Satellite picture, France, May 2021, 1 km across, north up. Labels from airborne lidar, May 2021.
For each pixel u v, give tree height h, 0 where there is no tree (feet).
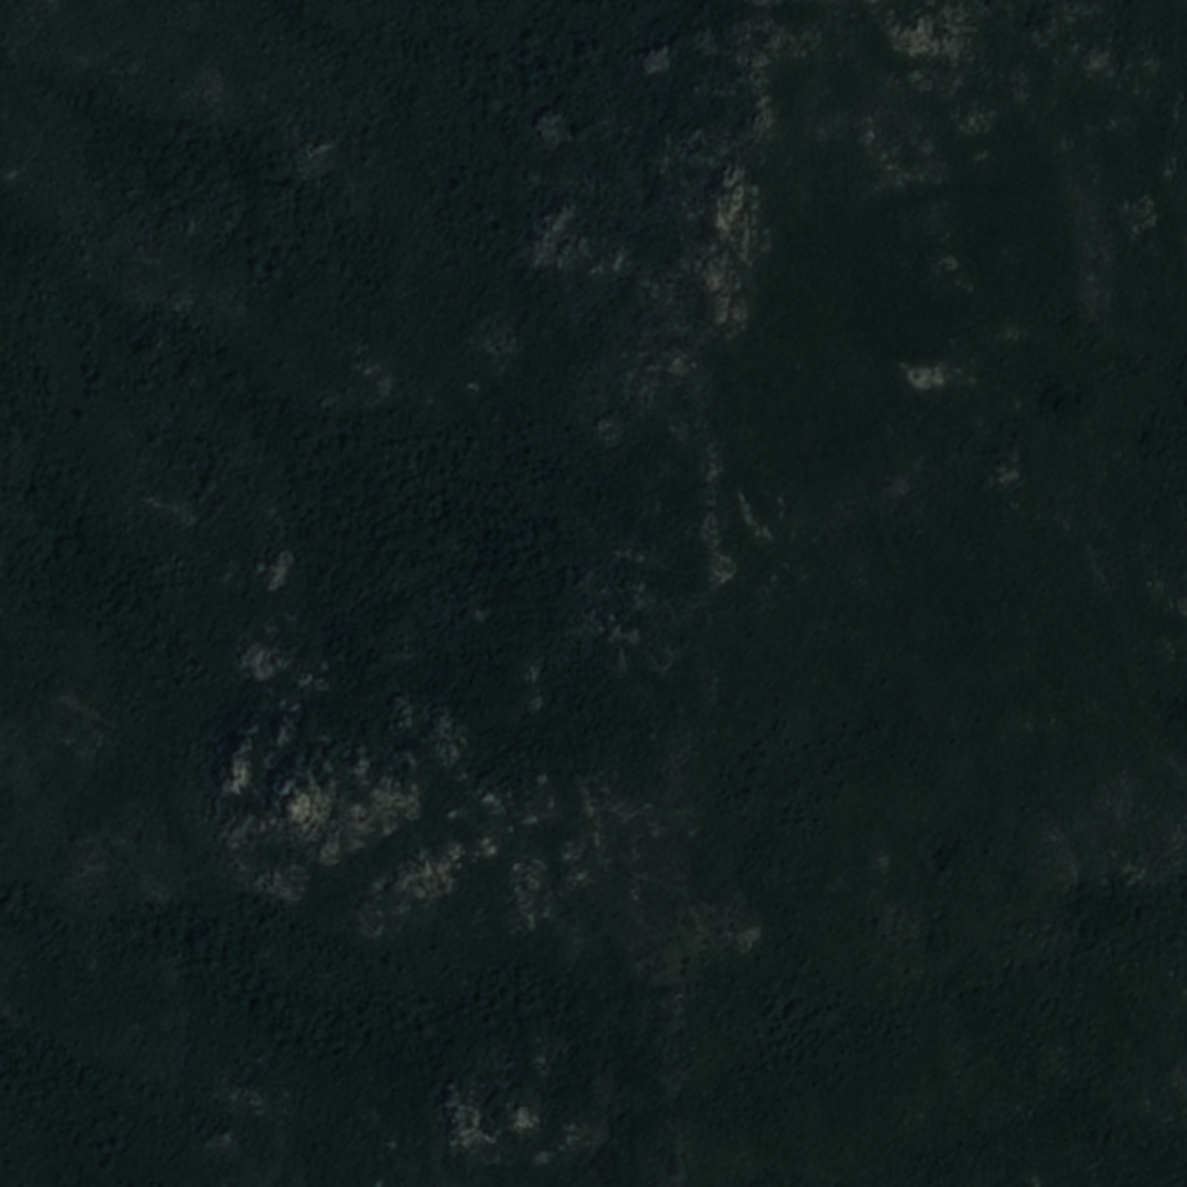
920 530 21
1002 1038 23
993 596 18
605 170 25
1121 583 20
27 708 18
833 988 40
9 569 29
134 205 34
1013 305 19
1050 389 43
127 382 30
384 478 37
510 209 23
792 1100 28
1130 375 30
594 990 22
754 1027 18
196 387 43
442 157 22
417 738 20
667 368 0
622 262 0
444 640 22
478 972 21
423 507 42
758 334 18
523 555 41
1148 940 35
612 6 23
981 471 21
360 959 33
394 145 22
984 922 17
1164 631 17
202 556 19
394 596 31
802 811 44
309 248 45
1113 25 27
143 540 26
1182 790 20
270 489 18
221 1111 19
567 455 19
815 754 18
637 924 0
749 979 26
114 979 18
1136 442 17
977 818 24
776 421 19
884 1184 30
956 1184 24
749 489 19
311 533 51
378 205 23
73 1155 31
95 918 19
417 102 38
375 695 27
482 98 38
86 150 26
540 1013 25
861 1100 18
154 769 20
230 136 46
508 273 20
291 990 28
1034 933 27
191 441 19
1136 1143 38
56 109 24
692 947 0
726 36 21
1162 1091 24
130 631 49
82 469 28
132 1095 18
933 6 17
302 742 26
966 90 18
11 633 20
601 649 19
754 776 50
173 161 45
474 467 22
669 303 0
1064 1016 23
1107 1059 28
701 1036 17
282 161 31
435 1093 34
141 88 20
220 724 29
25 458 32
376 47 19
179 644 28
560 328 19
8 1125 19
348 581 47
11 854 19
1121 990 28
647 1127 20
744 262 0
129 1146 18
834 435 20
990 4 51
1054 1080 20
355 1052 37
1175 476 18
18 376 31
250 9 20
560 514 20
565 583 27
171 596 19
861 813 18
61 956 20
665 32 20
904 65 18
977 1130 34
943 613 20
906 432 19
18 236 34
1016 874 28
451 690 21
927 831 20
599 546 17
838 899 21
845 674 19
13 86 19
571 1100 22
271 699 18
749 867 33
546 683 26
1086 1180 24
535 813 0
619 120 18
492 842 0
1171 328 21
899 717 18
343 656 30
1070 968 23
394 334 27
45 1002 17
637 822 0
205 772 20
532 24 18
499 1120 20
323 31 39
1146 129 20
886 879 20
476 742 28
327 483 25
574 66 23
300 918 19
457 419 21
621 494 23
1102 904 62
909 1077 19
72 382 19
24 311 21
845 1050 35
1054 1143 43
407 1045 28
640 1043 21
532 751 32
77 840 38
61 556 60
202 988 31
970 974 18
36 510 34
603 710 27
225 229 18
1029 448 24
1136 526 19
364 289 20
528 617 29
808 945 21
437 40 23
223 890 20
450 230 23
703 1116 23
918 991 27
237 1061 28
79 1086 41
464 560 28
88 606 20
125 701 26
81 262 20
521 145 20
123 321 40
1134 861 22
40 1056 45
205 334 30
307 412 41
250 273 20
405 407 19
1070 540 17
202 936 46
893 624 19
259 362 18
